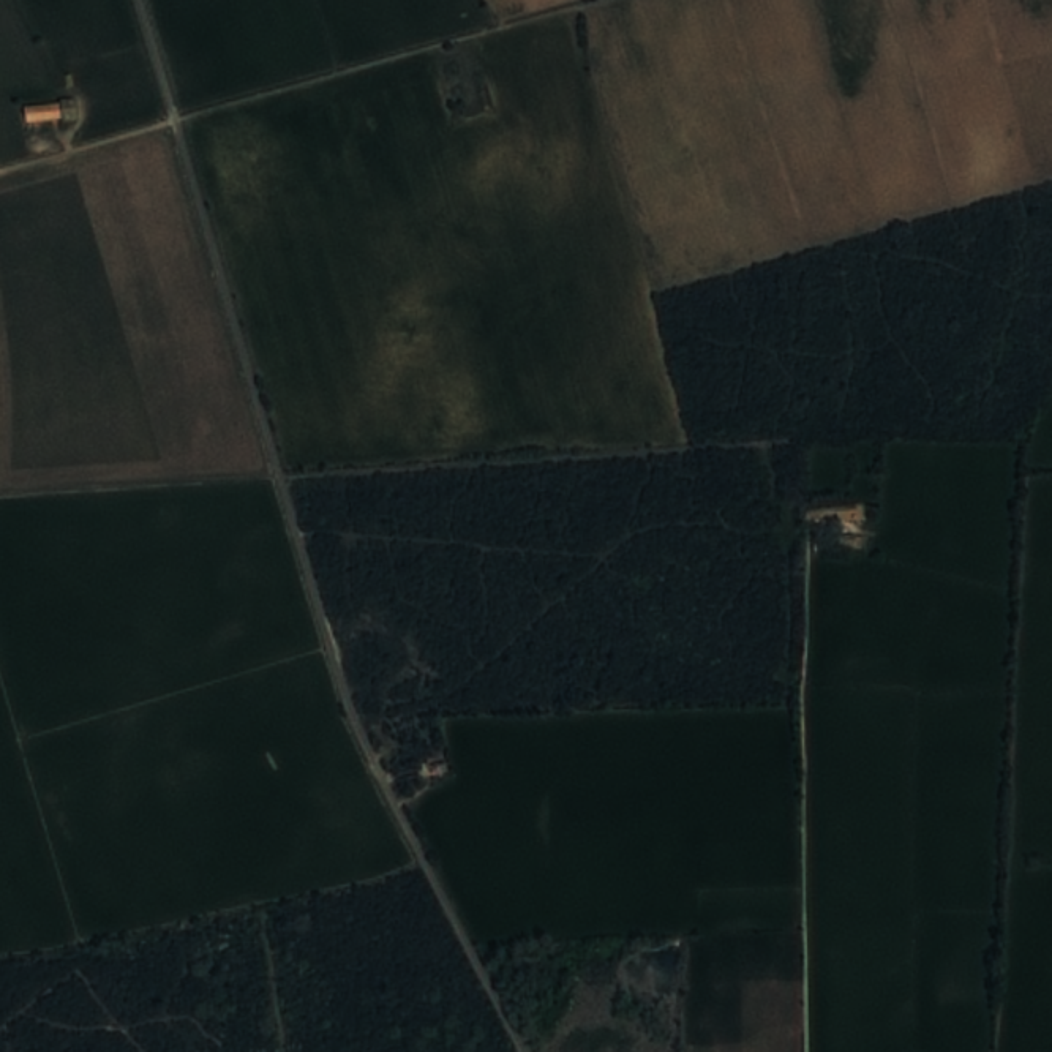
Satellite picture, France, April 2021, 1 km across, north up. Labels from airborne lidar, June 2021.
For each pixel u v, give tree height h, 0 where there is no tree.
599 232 0
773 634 9
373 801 0
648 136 0
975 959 0
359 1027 7
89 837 0
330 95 0
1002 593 0
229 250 0
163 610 0
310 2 0
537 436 0
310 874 0
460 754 0
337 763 0
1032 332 7
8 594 0
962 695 0
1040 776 0
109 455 0
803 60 0
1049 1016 0
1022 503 9
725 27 0
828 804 0
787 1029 0
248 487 0
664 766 0
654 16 0
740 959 0
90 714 0
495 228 0
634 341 0
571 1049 0
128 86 0
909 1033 0
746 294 6
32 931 0
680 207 0
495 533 6
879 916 0
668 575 7
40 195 0
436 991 8
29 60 0
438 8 0
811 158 0
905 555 0
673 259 0
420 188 0
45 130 0
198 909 0
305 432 0
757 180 0
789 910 0
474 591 6
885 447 6
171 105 0
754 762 0
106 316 0
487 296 0
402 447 0
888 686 0
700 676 6
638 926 0
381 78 0
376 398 0
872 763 0
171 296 0
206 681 0
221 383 0
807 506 14
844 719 0
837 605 0
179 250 0
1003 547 0
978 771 0
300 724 0
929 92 0
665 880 0
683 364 7
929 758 0
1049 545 0
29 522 0
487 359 0
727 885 0
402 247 0
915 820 0
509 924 0
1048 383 7
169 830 0
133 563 0
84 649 0
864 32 0
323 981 7
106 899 0
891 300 5
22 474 0
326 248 0
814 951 0
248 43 0
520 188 0
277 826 0
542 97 0
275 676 0
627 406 0
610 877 0
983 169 0
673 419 0
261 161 0
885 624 0
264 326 0
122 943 11
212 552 0
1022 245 6
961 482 0
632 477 7
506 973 14
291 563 0
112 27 0
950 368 6
